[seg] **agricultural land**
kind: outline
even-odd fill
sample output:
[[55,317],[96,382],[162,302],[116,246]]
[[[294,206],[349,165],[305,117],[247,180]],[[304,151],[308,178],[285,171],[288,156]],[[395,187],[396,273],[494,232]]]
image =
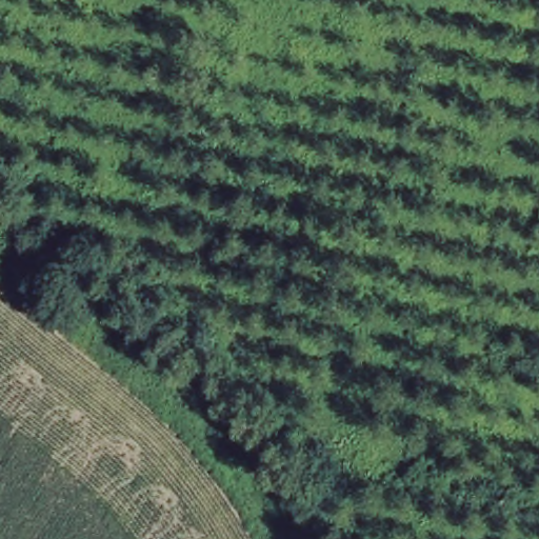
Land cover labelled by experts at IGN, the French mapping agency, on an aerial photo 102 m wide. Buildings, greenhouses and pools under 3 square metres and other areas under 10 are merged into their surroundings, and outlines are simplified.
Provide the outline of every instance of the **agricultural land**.
[[40,328],[21,312],[13,310],[8,303],[0,299],[0,539],[251,539],[251,533],[242,526],[240,514],[234,507],[232,499],[211,478],[206,470],[198,465],[189,448],[175,436],[168,423],[162,423],[145,402],[133,398],[128,394],[128,387],[124,387],[109,373],[101,371],[97,360],[93,360],[82,347],[69,341],[65,335],[59,331]]

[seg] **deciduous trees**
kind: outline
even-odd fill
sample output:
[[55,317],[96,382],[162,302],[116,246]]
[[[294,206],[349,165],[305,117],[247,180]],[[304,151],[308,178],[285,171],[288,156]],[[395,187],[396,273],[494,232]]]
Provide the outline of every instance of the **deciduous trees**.
[[145,171],[152,173],[189,177],[196,173],[208,183],[227,183],[238,187],[248,187],[253,179],[248,171],[236,175],[221,160],[200,160],[185,164],[183,152],[173,152],[171,156],[158,158],[152,152],[147,152],[141,143],[135,143],[135,158],[141,160],[141,166]]
[[512,57],[507,61],[522,63],[526,59],[526,29],[510,25],[507,32],[501,36],[503,44],[514,46]]
[[246,124],[248,133],[242,139],[246,141],[246,145],[255,145],[257,137],[261,135],[257,131],[257,124],[267,122],[263,118],[263,112],[270,99],[251,97],[246,99],[246,109],[248,114],[253,114],[255,124]]
[[375,101],[375,112],[366,120],[371,124],[379,124],[379,118],[392,109],[392,103]]
[[419,415],[421,406],[436,404],[434,398],[438,392],[430,387],[419,392],[417,398],[406,398],[402,394],[400,383],[381,379],[379,387],[383,394],[379,402],[373,406],[377,411],[377,427],[371,430],[371,436],[375,440],[390,440],[400,425],[394,415],[396,408],[408,415]]
[[217,57],[215,46],[181,36],[181,40],[173,46],[173,55],[179,59],[181,67],[179,82],[192,82],[194,101],[183,103],[181,112],[177,114],[164,116],[168,124],[179,126],[173,137],[200,133],[202,124],[198,124],[192,112],[198,105],[206,107],[211,103],[213,95],[206,86],[211,82],[211,72],[217,72],[221,80],[225,80],[219,93],[223,95],[221,101],[225,105],[234,103],[236,97],[242,97],[240,86],[248,80],[251,63],[248,57],[238,53],[236,63],[229,65],[225,59]]
[[[488,318],[463,318],[463,322],[467,324],[467,333],[461,335],[459,331],[451,331],[448,326],[438,324],[436,316],[427,310],[425,303],[402,303],[402,316],[398,316],[396,320],[402,324],[402,331],[411,333],[411,337],[404,343],[404,347],[392,352],[394,368],[408,368],[417,375],[423,375],[425,379],[442,381],[446,385],[455,385],[457,390],[467,390],[465,398],[453,398],[453,404],[446,406],[451,419],[461,419],[457,408],[476,411],[482,402],[493,404],[497,400],[497,390],[493,381],[507,377],[505,360],[510,356],[516,358],[516,368],[520,373],[531,377],[539,373],[539,326],[524,328],[518,324],[505,324],[510,328],[512,343],[495,343],[491,352],[484,352],[486,333],[482,328]],[[444,362],[451,356],[463,356],[470,368],[459,375],[448,373]]]
[[[198,211],[187,211],[185,215],[181,215],[181,204],[149,208],[147,204],[131,200],[82,196],[88,175],[78,175],[78,183],[74,189],[63,181],[34,181],[27,187],[17,189],[15,181],[6,181],[4,171],[8,164],[15,164],[15,158],[32,154],[36,141],[23,141],[19,145],[17,137],[8,137],[0,131],[0,232],[6,234],[6,229],[13,227],[19,238],[19,251],[40,248],[42,242],[51,236],[51,232],[61,223],[88,223],[109,234],[105,240],[99,242],[99,246],[84,234],[74,236],[72,242],[61,251],[59,261],[48,263],[44,274],[27,274],[19,284],[19,293],[23,297],[21,312],[40,328],[59,331],[65,335],[74,331],[80,320],[86,320],[91,314],[95,314],[97,326],[103,333],[105,343],[114,347],[118,354],[137,362],[139,366],[143,362],[154,364],[158,362],[158,358],[164,356],[173,362],[173,366],[164,373],[166,377],[175,379],[179,387],[187,387],[196,375],[202,377],[204,394],[213,400],[213,406],[208,408],[208,415],[202,421],[206,423],[208,419],[217,419],[219,423],[227,423],[229,438],[238,440],[240,444],[244,444],[244,448],[253,451],[267,463],[265,472],[251,474],[253,486],[265,497],[261,505],[263,516],[267,512],[291,512],[299,524],[307,522],[310,518],[320,518],[324,522],[331,522],[331,531],[322,539],[417,539],[417,531],[413,528],[413,524],[398,522],[394,518],[377,518],[385,507],[383,488],[366,486],[362,499],[347,499],[345,491],[337,484],[339,474],[343,474],[343,470],[333,461],[333,448],[328,448],[322,440],[314,440],[314,434],[305,425],[297,423],[301,411],[307,408],[307,398],[303,396],[303,390],[310,385],[310,379],[316,379],[320,375],[320,362],[331,364],[333,352],[354,356],[354,345],[335,343],[331,335],[324,333],[316,335],[312,331],[312,322],[316,320],[322,324],[341,324],[331,310],[331,303],[339,303],[339,291],[354,286],[358,288],[358,293],[341,305],[343,310],[354,312],[364,322],[371,318],[371,314],[383,316],[385,307],[392,301],[398,301],[396,295],[402,286],[402,282],[398,282],[396,278],[381,278],[379,272],[373,272],[368,276],[358,272],[354,265],[345,263],[343,255],[347,251],[335,248],[335,238],[343,238],[345,229],[356,229],[358,234],[375,238],[377,244],[383,244],[385,240],[396,240],[400,246],[432,246],[442,255],[465,257],[472,261],[478,259],[482,272],[501,272],[505,267],[514,270],[522,278],[526,276],[528,265],[535,265],[539,270],[539,173],[531,177],[533,183],[528,185],[526,194],[520,194],[514,187],[518,177],[499,177],[495,185],[495,192],[499,192],[499,196],[495,211],[486,204],[472,206],[472,215],[467,217],[470,221],[486,227],[499,225],[495,246],[484,246],[476,244],[472,236],[444,238],[434,232],[411,232],[404,229],[404,225],[392,223],[392,215],[404,208],[400,200],[402,189],[411,187],[417,200],[408,211],[415,211],[417,215],[425,215],[425,211],[430,215],[440,213],[446,215],[453,223],[461,223],[465,219],[465,215],[461,213],[463,204],[432,198],[436,175],[451,175],[453,164],[434,158],[434,166],[423,168],[419,175],[415,175],[408,168],[406,160],[398,160],[394,168],[385,168],[383,162],[371,160],[373,149],[379,145],[379,141],[375,139],[362,139],[362,156],[339,158],[337,145],[347,135],[345,131],[333,133],[333,141],[324,143],[316,152],[299,143],[295,147],[295,158],[299,162],[303,162],[305,166],[333,166],[333,171],[322,181],[305,183],[305,194],[320,200],[324,206],[345,208],[345,217],[337,219],[328,229],[316,229],[314,219],[305,219],[305,234],[310,236],[310,240],[333,251],[333,261],[314,265],[307,259],[305,248],[284,255],[282,242],[286,236],[276,236],[274,229],[265,229],[265,244],[259,251],[240,242],[244,227],[263,225],[267,219],[265,211],[257,215],[253,211],[253,202],[246,198],[238,198],[234,202],[234,211],[238,215],[236,221],[229,225],[227,244],[223,244],[219,238],[213,236],[219,221],[208,221]],[[390,198],[375,200],[375,211],[366,215],[366,219],[360,221],[356,227],[352,227],[352,215],[364,204],[362,187],[341,192],[328,187],[343,173],[364,173],[371,177],[373,185],[379,185],[377,175],[381,175],[387,179],[390,187]],[[164,255],[156,261],[152,255],[143,253],[139,238],[152,238],[164,244]],[[288,291],[274,288],[272,284],[280,282],[284,270],[293,270],[295,274],[305,274],[318,280],[320,284],[331,288],[331,299],[318,301],[318,305],[312,307],[301,301],[297,286],[291,284]],[[217,295],[219,312],[189,303],[179,293],[181,284],[198,286],[202,293]],[[301,320],[297,320],[295,324],[291,322],[286,328],[272,328],[263,324],[261,314],[253,314],[248,322],[234,324],[229,322],[227,312],[234,299],[238,299],[240,303],[270,301],[276,303],[278,312],[282,314],[299,312]],[[299,347],[301,341],[310,337],[318,347],[314,356],[307,356],[307,364],[303,366],[303,371],[295,371],[288,358],[282,358],[278,364],[267,362],[263,356],[255,352],[242,350],[236,341],[236,335],[246,335],[248,339],[270,337],[274,345],[295,347]],[[274,402],[274,396],[270,392],[270,379],[297,381],[284,404]]]
[[430,55],[425,53],[425,44],[413,44],[406,57],[396,55],[396,69],[411,69],[411,74],[415,76],[419,72],[419,65],[430,59]]
[[526,514],[526,522],[539,522],[539,459],[533,453],[524,451],[505,453],[499,446],[491,444],[488,436],[482,436],[480,440],[486,448],[486,455],[478,463],[474,463],[467,455],[465,444],[461,440],[453,440],[444,444],[442,453],[446,457],[457,455],[461,467],[442,472],[436,467],[434,459],[425,457],[423,461],[417,461],[406,472],[406,476],[396,480],[398,497],[392,499],[392,503],[387,505],[390,510],[402,510],[402,505],[408,501],[415,505],[419,501],[419,491],[432,488],[432,514],[438,512],[446,518],[446,497],[455,503],[467,503],[470,518],[480,516],[480,505],[486,503],[488,495],[499,493],[505,499],[493,505],[491,512],[493,516],[503,516],[507,528],[518,526],[518,514]]
[[495,286],[488,299],[493,299],[495,303],[514,307],[522,303],[516,293],[507,293]]
[[507,6],[512,6],[512,8],[518,8],[518,11],[535,8],[535,11],[539,13],[539,0],[507,0]]
[[419,116],[408,126],[404,126],[404,135],[408,139],[417,137],[419,126],[430,126],[430,122],[423,116]]
[[499,112],[499,97],[495,97],[482,99],[484,109],[472,116],[480,128],[486,128],[493,114]]

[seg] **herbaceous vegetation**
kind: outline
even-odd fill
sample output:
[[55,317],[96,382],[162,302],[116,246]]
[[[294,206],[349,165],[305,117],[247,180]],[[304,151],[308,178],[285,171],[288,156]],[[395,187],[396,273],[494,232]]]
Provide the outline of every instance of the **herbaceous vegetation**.
[[295,274],[293,270],[284,270],[280,282],[272,284],[274,288],[288,291],[291,284],[297,286],[301,301],[312,307],[318,305],[318,301],[331,299],[331,288],[320,284],[318,280],[305,274]]
[[202,293],[198,286],[181,284],[179,293],[189,303],[219,312],[217,295]]
[[[310,379],[310,385],[303,390],[303,396],[307,398],[307,408],[301,411],[297,423],[305,425],[314,434],[314,440],[322,440],[328,448],[333,448],[333,461],[343,470],[343,474],[339,474],[337,484],[345,491],[347,499],[362,499],[366,486],[383,488],[385,507],[377,518],[394,518],[398,522],[413,524],[413,528],[417,531],[417,539],[539,539],[539,522],[526,522],[526,514],[518,514],[518,526],[507,528],[503,516],[493,516],[491,512],[493,505],[505,499],[499,493],[488,495],[486,503],[480,505],[480,516],[470,518],[467,503],[455,503],[446,497],[446,518],[438,512],[432,514],[432,488],[419,491],[419,501],[415,505],[408,501],[402,505],[402,510],[390,510],[387,505],[392,503],[392,499],[398,497],[396,480],[406,476],[406,472],[417,461],[423,461],[425,457],[434,459],[436,467],[442,472],[461,467],[457,455],[446,457],[442,453],[444,444],[453,440],[461,440],[465,444],[467,455],[474,463],[478,463],[486,455],[486,448],[480,440],[482,436],[488,436],[491,444],[499,446],[505,453],[524,451],[533,453],[539,459],[539,373],[531,377],[520,373],[516,368],[516,358],[510,356],[505,360],[507,377],[493,381],[497,390],[497,400],[493,404],[482,402],[476,411],[457,408],[461,419],[451,419],[446,406],[453,404],[453,398],[465,398],[467,390],[457,390],[455,385],[446,385],[442,381],[425,379],[423,375],[417,375],[408,368],[394,368],[392,352],[404,347],[404,343],[411,337],[411,333],[402,331],[402,324],[396,320],[398,316],[402,316],[402,303],[425,303],[427,310],[436,316],[438,324],[448,326],[451,331],[459,331],[461,335],[467,333],[467,324],[463,322],[463,318],[488,318],[482,328],[486,333],[484,352],[491,352],[495,343],[512,343],[510,328],[505,324],[518,324],[524,328],[539,326],[539,270],[535,265],[528,265],[526,276],[522,278],[514,270],[505,267],[501,272],[482,272],[478,259],[472,261],[465,257],[442,255],[432,246],[400,246],[396,240],[385,240],[383,244],[377,244],[375,238],[358,234],[356,229],[345,229],[343,238],[335,238],[335,248],[347,251],[343,255],[345,263],[354,265],[358,272],[368,276],[373,272],[379,272],[381,278],[396,278],[398,282],[402,282],[402,286],[396,295],[398,301],[392,301],[385,307],[383,316],[371,314],[371,318],[364,322],[354,312],[343,310],[341,305],[358,293],[358,288],[354,286],[339,291],[339,303],[331,303],[331,310],[341,324],[322,324],[316,320],[312,322],[312,331],[316,335],[324,333],[331,335],[335,343],[354,345],[354,356],[333,352],[331,364],[320,362],[320,375],[316,379]],[[495,286],[507,293],[516,293],[522,303],[514,307],[495,303],[493,299],[488,299]],[[400,425],[390,440],[375,440],[371,436],[371,430],[377,427],[377,411],[373,406],[379,402],[383,394],[379,387],[381,379],[400,383],[402,394],[406,398],[417,398],[419,392],[430,387],[438,392],[434,398],[436,404],[421,406],[419,415],[408,415],[396,408],[394,415]]]
[[295,324],[297,320],[301,320],[299,312],[282,314],[278,312],[276,303],[270,301],[240,303],[238,299],[234,299],[227,312],[229,322],[234,324],[248,322],[253,314],[261,314],[263,324],[272,328],[286,328],[291,322]]
[[164,255],[164,244],[152,238],[139,238],[143,253],[152,255],[156,261]]
[[162,423],[168,423],[175,436],[189,448],[198,465],[206,470],[211,478],[232,499],[234,507],[240,514],[242,526],[251,533],[251,539],[322,539],[331,531],[331,522],[324,522],[320,518],[310,518],[307,522],[299,524],[291,512],[267,512],[263,516],[261,505],[265,497],[253,486],[251,474],[265,472],[267,463],[253,451],[244,448],[244,444],[240,444],[238,440],[229,438],[227,423],[219,423],[217,419],[208,419],[206,423],[202,421],[208,415],[208,408],[213,406],[213,400],[204,394],[202,377],[196,375],[187,387],[179,387],[175,379],[166,377],[164,373],[173,366],[173,362],[164,356],[158,358],[158,362],[154,364],[143,362],[139,366],[137,362],[118,354],[114,347],[105,343],[103,333],[97,326],[95,314],[91,314],[86,320],[80,320],[74,331],[65,335],[69,341],[82,347],[93,360],[97,360],[101,371],[109,373],[124,387],[128,387],[128,394],[133,398],[145,402]]
[[[526,29],[526,59],[522,63],[507,61],[512,57],[514,46],[503,44],[501,36],[507,32],[510,25]],[[173,46],[181,40],[181,36],[215,46],[217,57],[225,59],[229,65],[236,63],[238,53],[248,57],[251,63],[248,80],[240,86],[242,97],[236,97],[234,103],[225,105],[221,101],[223,95],[219,93],[225,80],[221,80],[217,72],[211,72],[211,82],[206,86],[213,95],[211,103],[206,107],[198,105],[192,112],[198,124],[202,124],[200,133],[173,137],[179,126],[168,124],[164,116],[177,114],[181,112],[183,103],[194,101],[192,82],[179,82],[181,67],[179,59],[173,55]],[[396,69],[396,55],[406,57],[413,44],[425,44],[425,53],[430,55],[430,59],[419,65],[419,72],[415,76],[411,74],[411,69]],[[257,131],[261,135],[257,137],[255,145],[246,145],[246,141],[242,139],[248,133],[246,124],[255,124],[253,114],[248,114],[246,109],[246,99],[251,97],[270,99],[263,112],[263,118],[267,122],[257,124]],[[482,99],[495,97],[499,97],[499,112],[493,114],[486,128],[480,128],[472,116],[484,109]],[[379,118],[379,124],[371,124],[366,120],[375,112],[375,101],[392,103],[392,109]],[[408,139],[404,135],[404,126],[408,126],[419,116],[423,116],[430,122],[430,126],[419,126],[417,137]],[[223,244],[227,244],[229,225],[236,221],[238,215],[234,211],[234,202],[238,198],[246,198],[253,202],[253,211],[257,215],[265,211],[267,219],[263,225],[244,227],[240,242],[259,251],[265,244],[265,229],[274,229],[276,236],[286,236],[282,242],[284,255],[305,248],[307,259],[314,265],[333,261],[333,251],[310,240],[310,236],[305,234],[305,219],[314,219],[316,229],[328,229],[337,219],[345,217],[345,208],[324,206],[320,200],[305,194],[305,183],[322,181],[333,171],[333,166],[305,166],[303,162],[299,162],[295,158],[295,147],[299,143],[316,152],[324,143],[333,141],[333,133],[345,131],[347,135],[337,145],[339,158],[362,156],[362,139],[375,139],[379,141],[379,145],[373,149],[371,160],[383,162],[385,168],[394,168],[398,160],[406,160],[408,168],[415,175],[419,175],[423,168],[434,166],[434,158],[453,164],[451,175],[436,175],[432,198],[463,204],[461,213],[465,215],[465,219],[461,223],[453,223],[446,215],[440,213],[430,215],[425,211],[425,215],[417,215],[415,211],[408,211],[417,200],[411,187],[402,189],[400,200],[404,208],[392,215],[392,223],[404,225],[404,229],[411,232],[434,232],[444,238],[472,236],[476,244],[484,246],[495,246],[499,225],[486,227],[470,221],[467,217],[472,215],[472,206],[486,204],[495,211],[499,196],[499,192],[495,192],[495,185],[499,177],[518,177],[514,187],[520,194],[526,194],[528,185],[533,183],[531,177],[539,173],[539,13],[535,11],[535,8],[518,11],[518,8],[512,8],[512,6],[507,6],[507,0],[0,0],[0,131],[8,137],[17,137],[19,145],[23,141],[36,141],[32,154],[15,158],[15,164],[8,164],[4,171],[6,181],[15,181],[17,189],[27,187],[34,181],[63,181],[74,189],[78,183],[78,175],[88,175],[82,196],[131,200],[147,204],[149,208],[181,204],[181,215],[185,215],[187,211],[198,211],[208,221],[219,221],[213,236],[219,238]],[[253,179],[248,187],[238,187],[227,183],[208,183],[196,173],[189,177],[152,173],[145,171],[141,166],[141,160],[135,158],[135,143],[141,143],[147,152],[152,152],[158,158],[171,156],[173,152],[183,152],[185,164],[200,160],[221,160],[236,175],[248,171]]]
[[274,396],[274,402],[284,404],[297,381],[270,379],[270,392]]
[[248,339],[246,335],[236,335],[236,341],[242,350],[255,352],[263,356],[267,362],[278,364],[282,358],[288,358],[295,371],[303,371],[303,366],[307,364],[307,356],[314,356],[318,347],[310,337],[301,341],[299,347],[295,347],[274,345],[270,337]]
[[0,232],[0,299],[8,303],[13,310],[21,312],[23,297],[19,293],[19,284],[27,274],[44,274],[48,263],[59,261],[61,251],[72,242],[74,236],[84,234],[99,246],[99,242],[105,240],[109,234],[88,223],[61,223],[51,232],[51,236],[42,242],[40,248],[19,251],[19,238],[13,227],[6,229],[6,234]]
[[375,200],[390,198],[390,187],[387,179],[381,175],[377,175],[379,185],[373,185],[371,177],[364,173],[343,173],[328,187],[341,192],[362,187],[364,204],[352,215],[352,227],[356,227],[360,221],[366,219],[366,215],[375,211]]
[[470,368],[463,356],[451,356],[444,362],[448,373],[459,375]]

